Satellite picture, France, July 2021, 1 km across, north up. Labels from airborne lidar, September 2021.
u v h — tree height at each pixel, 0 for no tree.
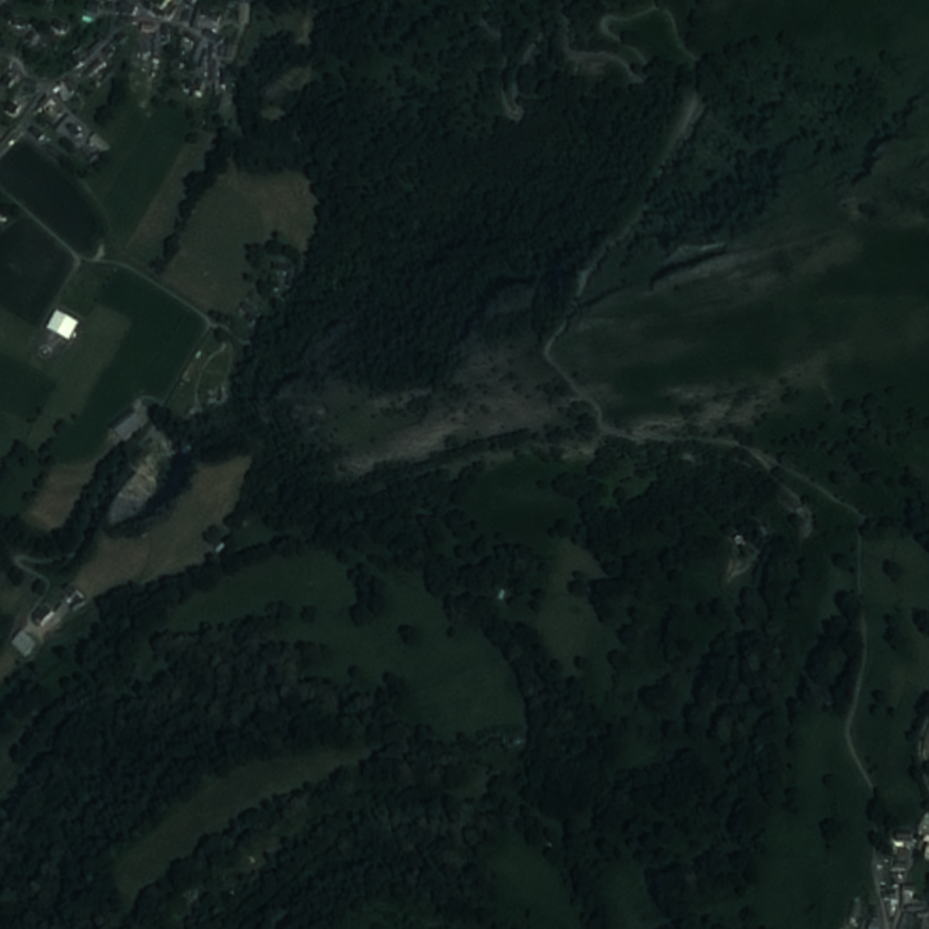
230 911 8
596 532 20
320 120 14
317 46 17
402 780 19
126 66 12
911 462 0
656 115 9
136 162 0
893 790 0
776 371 0
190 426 13
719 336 0
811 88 10
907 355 0
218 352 0
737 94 10
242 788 0
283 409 16
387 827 22
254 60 8
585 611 0
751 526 19
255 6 14
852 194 0
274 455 20
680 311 0
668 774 8
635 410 0
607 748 25
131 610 11
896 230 0
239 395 15
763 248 0
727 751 8
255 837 22
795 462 15
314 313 20
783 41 10
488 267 18
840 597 0
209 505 0
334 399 0
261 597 0
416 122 12
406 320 11
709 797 22
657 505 25
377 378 8
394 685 20
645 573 26
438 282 17
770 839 0
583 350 0
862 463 24
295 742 21
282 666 27
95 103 0
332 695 22
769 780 23
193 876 13
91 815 19
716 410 0
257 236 0
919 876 0
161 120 0
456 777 28
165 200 0
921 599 0
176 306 0
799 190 0
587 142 7
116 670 15
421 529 15
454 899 23
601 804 24
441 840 7
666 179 8
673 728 23
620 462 18
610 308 0
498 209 18
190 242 0
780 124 0
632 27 0
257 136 15
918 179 0
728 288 0
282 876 24
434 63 7
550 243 15
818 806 0
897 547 0
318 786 8
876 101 8
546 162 20
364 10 22
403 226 20
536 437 9
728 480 24
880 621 0
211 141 0
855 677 9
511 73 13
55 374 0
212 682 19
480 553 17
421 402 11
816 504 6
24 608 0
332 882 17
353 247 10
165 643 25
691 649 14
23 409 0
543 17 13
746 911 9
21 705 24
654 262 0
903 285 0
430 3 12
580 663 17
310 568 0
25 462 13
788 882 0
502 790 14
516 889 0
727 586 0
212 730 17
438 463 6
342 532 24
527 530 0
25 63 6
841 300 0
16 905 20
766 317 0
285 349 17
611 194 12
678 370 0
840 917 0
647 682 0
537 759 23
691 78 9
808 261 0
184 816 0
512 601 13
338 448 6
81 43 11
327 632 0
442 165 19
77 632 0
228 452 17
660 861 22
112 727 22
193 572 17
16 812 25
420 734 16
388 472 11
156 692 22
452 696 0
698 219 9
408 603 0
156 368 0
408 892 17
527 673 23
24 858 18
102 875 10
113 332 0
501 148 21
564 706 24
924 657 0
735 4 0
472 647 0
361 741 10
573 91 16
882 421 19
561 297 14
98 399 0
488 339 7
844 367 0
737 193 13
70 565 8
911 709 0
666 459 13
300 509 24
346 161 22
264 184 0
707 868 23
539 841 16
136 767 15
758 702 21
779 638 13
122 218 0
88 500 11
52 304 0
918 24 0
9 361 0
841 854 0
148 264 0
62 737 22
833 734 0
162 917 9
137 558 0
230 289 0
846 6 0
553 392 7
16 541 11
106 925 20
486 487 0
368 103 9
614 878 0
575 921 0
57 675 0
